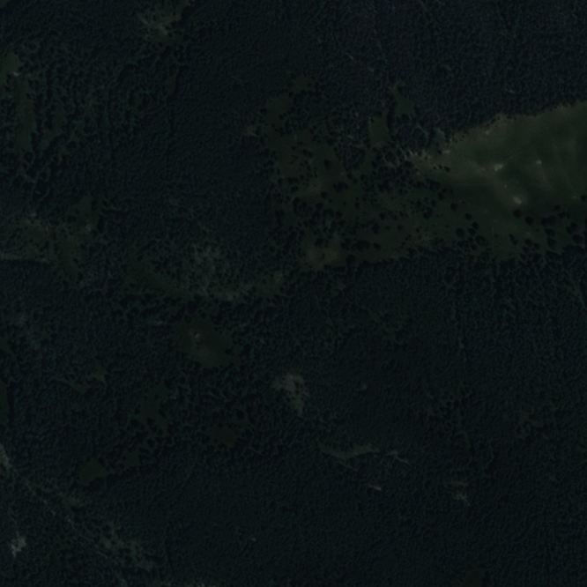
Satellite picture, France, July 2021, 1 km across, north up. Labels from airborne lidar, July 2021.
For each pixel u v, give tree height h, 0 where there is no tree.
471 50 10
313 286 14
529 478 18
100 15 19
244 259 14
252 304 13
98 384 18
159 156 24
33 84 15
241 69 17
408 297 21
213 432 0
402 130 9
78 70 8
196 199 11
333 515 18
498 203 0
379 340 20
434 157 0
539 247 16
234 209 15
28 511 11
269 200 18
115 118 13
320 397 11
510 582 26
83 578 11
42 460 19
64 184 26
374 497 17
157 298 10
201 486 17
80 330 15
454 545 11
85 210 0
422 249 14
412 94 12
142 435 20
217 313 0
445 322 18
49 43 12
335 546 16
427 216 16
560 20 7
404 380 20
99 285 13
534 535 20
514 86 13
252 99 15
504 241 0
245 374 16
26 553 13
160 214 22
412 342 9
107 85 7
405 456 18
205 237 12
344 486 23
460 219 0
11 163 19
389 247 0
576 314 18
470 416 14
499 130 0
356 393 15
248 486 13
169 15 0
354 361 21
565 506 18
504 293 25
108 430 22
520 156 0
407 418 21
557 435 15
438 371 14
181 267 11
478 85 13
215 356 0
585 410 18
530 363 16
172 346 25
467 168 0
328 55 21
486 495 19
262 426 21
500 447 16
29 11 25
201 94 24
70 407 21
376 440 10
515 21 25
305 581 14
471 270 20
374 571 20
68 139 20
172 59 16
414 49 10
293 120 10
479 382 16
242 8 20
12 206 13
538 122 0
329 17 18
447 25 12
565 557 15
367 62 20
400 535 18
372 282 16
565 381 17
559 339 23
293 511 24
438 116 10
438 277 22
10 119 11
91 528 25
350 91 10
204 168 14
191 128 21
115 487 21
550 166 0
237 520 17
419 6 19
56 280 13
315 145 0
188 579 19
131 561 19
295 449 15
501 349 16
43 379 16
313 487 17
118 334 14
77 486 13
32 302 12
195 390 18
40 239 0
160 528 24
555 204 0
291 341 15
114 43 19
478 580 0
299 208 20
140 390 18
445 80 18
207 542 18
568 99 15
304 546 18
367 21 9
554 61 20
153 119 18
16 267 22
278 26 13
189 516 18
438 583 17
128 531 14
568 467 15
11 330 26
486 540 23
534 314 19
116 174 15
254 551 19
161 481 25
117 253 14
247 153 18
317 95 13
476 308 18
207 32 20
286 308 17
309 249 0
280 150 0
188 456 23
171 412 18
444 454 13
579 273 11
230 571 12
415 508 22
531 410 18
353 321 14
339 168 0
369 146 20
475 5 6
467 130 7
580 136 0
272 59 19
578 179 0
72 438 23
